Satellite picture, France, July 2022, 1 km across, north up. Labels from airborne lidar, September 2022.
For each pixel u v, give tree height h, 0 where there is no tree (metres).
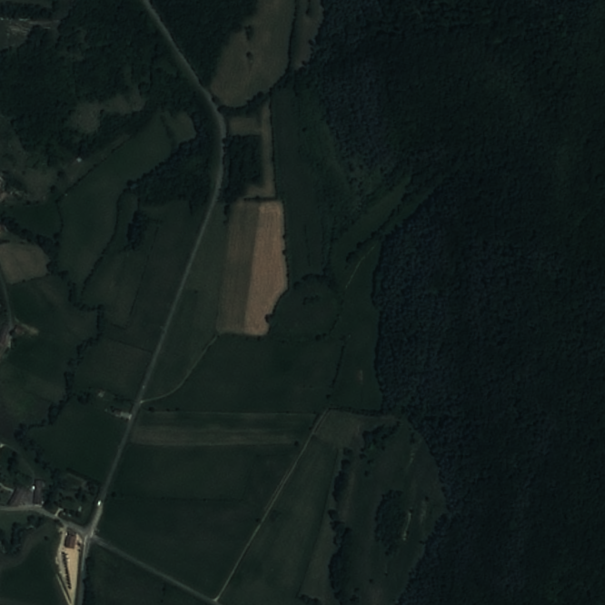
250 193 0
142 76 6
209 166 11
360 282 0
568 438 21
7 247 0
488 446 25
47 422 12
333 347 0
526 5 12
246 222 0
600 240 11
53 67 8
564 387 16
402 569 0
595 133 23
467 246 19
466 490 20
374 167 15
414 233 24
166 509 0
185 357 0
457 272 16
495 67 14
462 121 19
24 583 0
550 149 16
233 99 0
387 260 18
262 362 0
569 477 16
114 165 0
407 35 21
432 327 18
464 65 16
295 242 0
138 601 0
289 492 0
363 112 21
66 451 0
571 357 24
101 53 15
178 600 0
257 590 0
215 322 0
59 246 13
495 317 19
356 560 0
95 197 0
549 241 19
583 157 20
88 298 0
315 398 0
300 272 0
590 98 18
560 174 8
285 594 0
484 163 26
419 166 24
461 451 22
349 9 18
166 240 0
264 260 0
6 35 0
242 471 0
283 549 0
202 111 13
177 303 0
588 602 24
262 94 15
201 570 0
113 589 0
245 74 0
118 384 0
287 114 0
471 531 18
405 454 0
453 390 17
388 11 21
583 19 17
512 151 25
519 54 19
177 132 0
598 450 27
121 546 0
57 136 15
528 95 13
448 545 19
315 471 0
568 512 18
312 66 14
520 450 18
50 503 15
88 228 0
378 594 0
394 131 11
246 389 0
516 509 20
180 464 0
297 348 0
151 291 0
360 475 0
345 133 11
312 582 0
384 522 16
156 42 11
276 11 0
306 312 0
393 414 10
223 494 0
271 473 0
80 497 17
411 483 0
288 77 10
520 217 17
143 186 15
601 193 21
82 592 0
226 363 0
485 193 27
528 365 22
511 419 20
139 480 0
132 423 0
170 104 13
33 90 8
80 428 0
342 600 16
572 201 21
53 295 0
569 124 15
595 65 20
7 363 0
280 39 0
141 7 12
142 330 0
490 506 16
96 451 0
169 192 18
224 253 0
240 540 0
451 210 31
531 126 16
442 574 16
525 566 19
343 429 0
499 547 17
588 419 24
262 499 0
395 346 27
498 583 17
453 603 14
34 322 0
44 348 0
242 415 0
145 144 0
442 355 19
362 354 0
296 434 0
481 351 22
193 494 0
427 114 17
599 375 21
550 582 14
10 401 0
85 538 0
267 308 0
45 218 0
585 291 28
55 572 0
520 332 25
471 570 20
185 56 13
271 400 0
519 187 23
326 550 0
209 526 0
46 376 0
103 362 0
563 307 23
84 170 0
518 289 22
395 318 25
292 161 0
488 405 23
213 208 0
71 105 9
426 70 16
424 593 17
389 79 18
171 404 0
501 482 15
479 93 20
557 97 17
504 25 20
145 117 14
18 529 16
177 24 15
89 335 0
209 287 0
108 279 0
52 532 0
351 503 0
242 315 0
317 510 0
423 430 21
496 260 30
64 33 11
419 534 0
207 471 0
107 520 0
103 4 15
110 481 0
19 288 0
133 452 0
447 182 18
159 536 0
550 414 14
